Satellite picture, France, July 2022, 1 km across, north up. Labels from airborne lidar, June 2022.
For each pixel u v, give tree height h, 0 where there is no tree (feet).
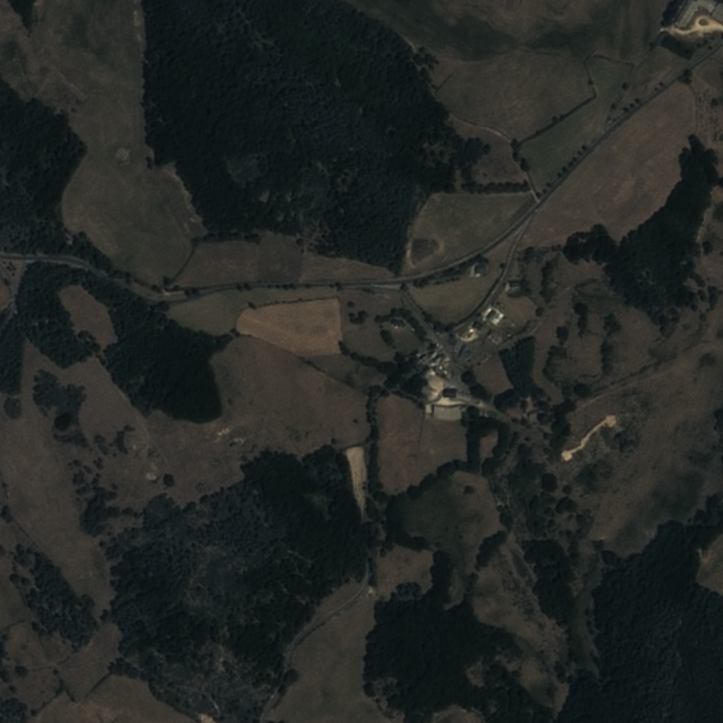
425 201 0
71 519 0
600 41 0
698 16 0
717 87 0
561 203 0
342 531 69
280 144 54
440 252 0
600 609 52
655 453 0
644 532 0
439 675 77
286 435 0
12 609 0
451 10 0
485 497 0
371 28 42
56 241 22
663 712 51
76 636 53
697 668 34
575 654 44
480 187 44
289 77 73
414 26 0
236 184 42
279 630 51
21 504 0
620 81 0
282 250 0
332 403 0
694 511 0
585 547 0
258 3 44
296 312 0
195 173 37
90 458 0
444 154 38
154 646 41
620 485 0
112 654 0
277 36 37
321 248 32
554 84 0
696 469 0
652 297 41
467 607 54
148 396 38
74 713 0
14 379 40
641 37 0
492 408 0
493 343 0
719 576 0
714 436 0
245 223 47
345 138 77
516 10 0
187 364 61
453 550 0
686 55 45
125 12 0
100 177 0
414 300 0
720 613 35
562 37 0
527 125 0
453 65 0
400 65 26
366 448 0
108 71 0
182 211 0
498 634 60
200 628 43
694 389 0
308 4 46
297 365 0
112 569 28
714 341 0
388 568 0
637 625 52
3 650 30
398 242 49
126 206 0
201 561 45
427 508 0
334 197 26
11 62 0
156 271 0
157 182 0
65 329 36
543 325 0
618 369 0
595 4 0
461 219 0
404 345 0
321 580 51
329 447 46
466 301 0
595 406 0
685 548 53
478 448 35
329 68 32
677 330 0
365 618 0
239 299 0
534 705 43
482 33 0
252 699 0
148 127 30
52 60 0
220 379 0
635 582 45
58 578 62
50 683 0
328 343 0
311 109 66
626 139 0
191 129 52
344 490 47
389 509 40
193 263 0
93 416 0
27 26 38
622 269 41
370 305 0
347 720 0
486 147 31
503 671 19
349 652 0
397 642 60
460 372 0
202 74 34
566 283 0
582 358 0
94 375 0
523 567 0
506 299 0
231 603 28
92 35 0
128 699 0
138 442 0
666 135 0
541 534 23
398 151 43
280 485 71
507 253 0
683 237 41
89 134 0
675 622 53
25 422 0
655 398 0
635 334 0
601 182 0
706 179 62
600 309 0
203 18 23
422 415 0
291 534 49
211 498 42
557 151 0
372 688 44
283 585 42
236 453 0
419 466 0
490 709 29
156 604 54
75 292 0
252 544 37
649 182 0
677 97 0
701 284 46
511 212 0
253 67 54
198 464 0
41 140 58
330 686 0
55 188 50
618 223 0
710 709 38
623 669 64
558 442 41
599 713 58
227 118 57
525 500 23
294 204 33
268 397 0
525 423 51
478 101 0
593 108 0
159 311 57
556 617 45
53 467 0
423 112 49
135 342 52
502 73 0
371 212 39
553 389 0
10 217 58
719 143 0
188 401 61
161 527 29
